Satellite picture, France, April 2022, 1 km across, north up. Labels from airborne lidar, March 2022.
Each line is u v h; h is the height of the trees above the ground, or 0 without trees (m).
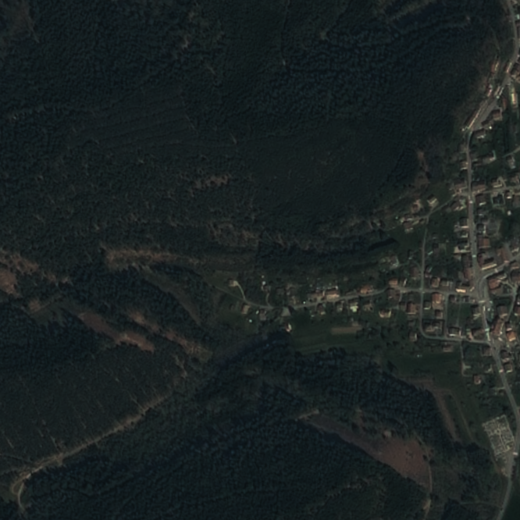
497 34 18
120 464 8
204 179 18
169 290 0
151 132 15
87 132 14
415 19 0
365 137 9
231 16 19
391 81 18
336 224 9
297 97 25
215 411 16
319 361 8
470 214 0
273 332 0
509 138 9
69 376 20
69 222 22
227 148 16
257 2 16
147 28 17
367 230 26
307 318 0
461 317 0
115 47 25
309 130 10
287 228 17
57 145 18
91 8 30
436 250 0
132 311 17
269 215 12
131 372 21
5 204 21
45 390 19
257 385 9
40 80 16
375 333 11
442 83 15
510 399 0
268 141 12
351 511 10
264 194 9
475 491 22
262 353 32
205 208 21
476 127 0
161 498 13
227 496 16
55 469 0
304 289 0
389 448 0
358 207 11
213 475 15
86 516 15
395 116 20
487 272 0
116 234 27
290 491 19
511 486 0
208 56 23
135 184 16
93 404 19
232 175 15
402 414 24
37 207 17
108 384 21
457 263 7
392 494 7
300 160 9
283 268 20
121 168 14
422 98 16
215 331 12
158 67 21
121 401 21
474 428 16
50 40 23
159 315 25
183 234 16
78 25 30
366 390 21
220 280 0
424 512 15
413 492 19
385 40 29
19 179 20
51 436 19
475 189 0
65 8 28
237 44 16
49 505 23
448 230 0
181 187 17
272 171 9
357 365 19
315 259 30
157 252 24
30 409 20
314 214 11
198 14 9
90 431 23
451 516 27
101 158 18
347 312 9
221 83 21
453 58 15
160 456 10
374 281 13
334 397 23
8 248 16
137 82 19
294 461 24
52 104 19
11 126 19
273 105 26
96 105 20
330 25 19
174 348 23
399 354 0
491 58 13
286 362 39
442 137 19
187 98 18
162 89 18
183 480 15
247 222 17
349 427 13
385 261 0
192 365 24
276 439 25
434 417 22
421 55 17
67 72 25
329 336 0
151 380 18
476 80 17
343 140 7
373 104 14
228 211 18
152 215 25
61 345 21
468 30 16
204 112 17
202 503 16
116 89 24
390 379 31
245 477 18
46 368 13
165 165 19
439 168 32
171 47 17
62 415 17
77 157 13
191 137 16
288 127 16
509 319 0
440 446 24
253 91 26
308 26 32
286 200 10
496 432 0
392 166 13
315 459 17
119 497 16
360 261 19
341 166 12
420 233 0
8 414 16
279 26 16
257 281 10
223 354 15
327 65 32
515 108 0
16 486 0
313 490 16
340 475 20
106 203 17
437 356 0
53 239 22
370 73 17
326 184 10
